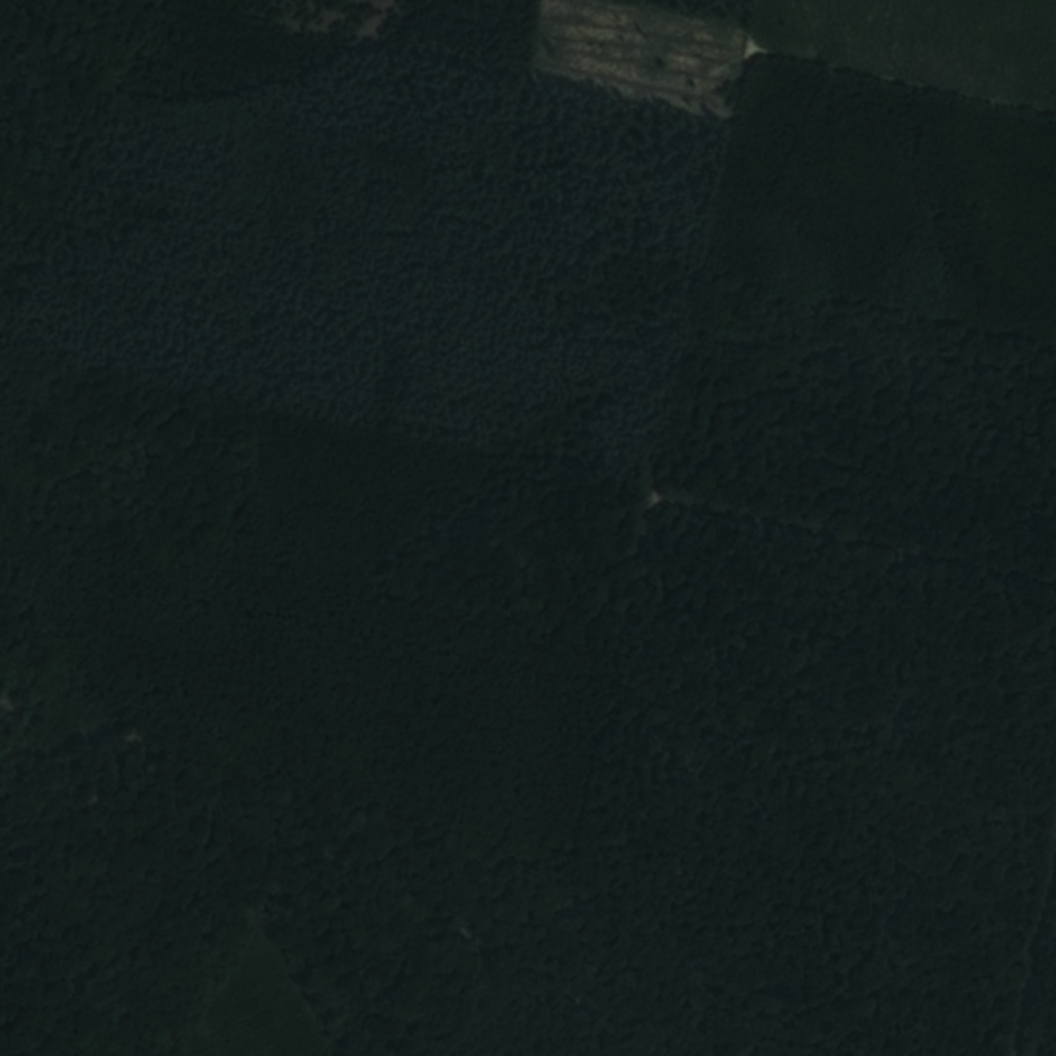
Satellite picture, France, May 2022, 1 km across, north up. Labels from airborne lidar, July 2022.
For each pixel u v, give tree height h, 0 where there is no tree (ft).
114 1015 80
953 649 90
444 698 65
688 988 95
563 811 65
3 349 73
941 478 90
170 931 90
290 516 50
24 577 66
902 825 99
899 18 0
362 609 64
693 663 96
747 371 78
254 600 68
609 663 48
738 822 88
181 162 97
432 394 84
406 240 96
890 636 95
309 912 94
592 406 34
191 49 46
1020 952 81
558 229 118
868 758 95
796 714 96
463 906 102
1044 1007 91
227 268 73
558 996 90
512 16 48
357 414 97
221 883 85
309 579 46
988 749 93
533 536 102
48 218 80
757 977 99
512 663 59
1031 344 86
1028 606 95
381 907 94
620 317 67
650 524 52
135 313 86
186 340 101
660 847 94
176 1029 74
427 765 67
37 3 86
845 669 95
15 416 73
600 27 0
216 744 93
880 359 74
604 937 98
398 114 86
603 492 83
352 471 54
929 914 103
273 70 43
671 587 76
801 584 92
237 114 66
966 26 0
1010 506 84
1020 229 48
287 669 68
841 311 87
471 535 95
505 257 108
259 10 20
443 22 56
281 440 53
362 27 31
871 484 94
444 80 114
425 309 94
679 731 93
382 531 47
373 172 89
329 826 97
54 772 86
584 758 61
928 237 65
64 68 90
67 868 97
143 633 64
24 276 76
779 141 49
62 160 91
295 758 71
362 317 93
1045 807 88
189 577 63
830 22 0
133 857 93
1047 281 49
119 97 67
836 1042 96
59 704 33
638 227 24
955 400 44
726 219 58
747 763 99
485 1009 90
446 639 54
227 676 72
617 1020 101
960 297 45
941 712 99
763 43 0
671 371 98
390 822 94
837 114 43
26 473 84
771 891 91
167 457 83
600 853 85
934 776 96
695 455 75
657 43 0
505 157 77
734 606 88
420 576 74
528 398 82
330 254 81
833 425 83
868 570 97
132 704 69
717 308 74
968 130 44
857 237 47
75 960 96
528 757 63
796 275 62
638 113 21
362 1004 82
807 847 100
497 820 67
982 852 90
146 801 88
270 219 90
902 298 63
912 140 30
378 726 62
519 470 58
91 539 81
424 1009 78
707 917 94
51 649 83
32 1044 85
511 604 93
